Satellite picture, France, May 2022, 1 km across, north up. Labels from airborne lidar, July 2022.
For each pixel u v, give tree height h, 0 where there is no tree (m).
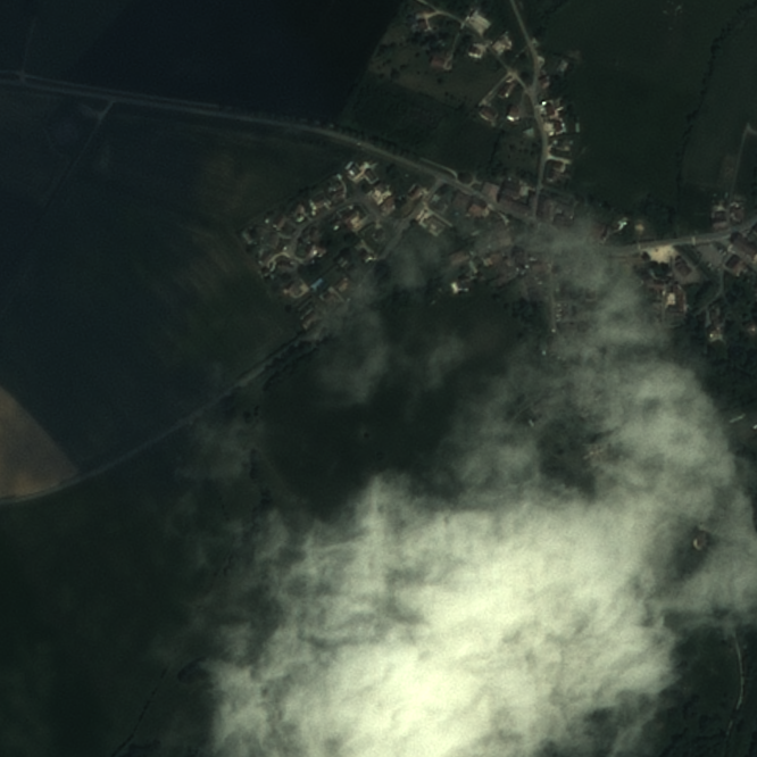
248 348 0
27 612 0
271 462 0
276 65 0
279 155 0
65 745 0
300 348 9
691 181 0
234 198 0
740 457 13
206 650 0
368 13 0
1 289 0
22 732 0
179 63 0
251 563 10
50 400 0
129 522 0
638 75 0
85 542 0
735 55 0
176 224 0
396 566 0
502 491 0
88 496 0
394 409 0
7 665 0
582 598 0
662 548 0
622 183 0
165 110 0
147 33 0
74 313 0
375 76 0
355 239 13
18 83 0
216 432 0
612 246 0
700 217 0
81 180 0
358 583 0
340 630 17
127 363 0
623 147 0
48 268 0
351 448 0
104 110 0
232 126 0
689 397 7
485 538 0
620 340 0
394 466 0
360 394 0
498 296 7
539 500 0
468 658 17
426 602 0
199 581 0
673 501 9
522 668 12
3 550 0
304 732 0
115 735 0
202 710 0
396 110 7
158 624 0
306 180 0
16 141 0
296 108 0
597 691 0
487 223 11
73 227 0
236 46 0
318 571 0
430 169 0
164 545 0
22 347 0
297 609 11
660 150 0
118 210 0
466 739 18
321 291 6
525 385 0
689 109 0
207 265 0
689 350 9
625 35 0
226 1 0
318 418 0
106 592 0
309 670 9
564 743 15
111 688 0
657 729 0
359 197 0
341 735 15
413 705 15
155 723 0
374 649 0
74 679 0
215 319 0
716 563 10
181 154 0
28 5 17
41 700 0
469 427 0
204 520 0
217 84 0
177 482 0
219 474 0
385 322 0
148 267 0
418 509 0
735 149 0
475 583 0
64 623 0
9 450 0
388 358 0
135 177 0
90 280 0
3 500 0
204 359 0
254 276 0
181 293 0
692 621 0
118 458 0
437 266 0
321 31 0
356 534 12
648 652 0
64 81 0
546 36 16
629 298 12
